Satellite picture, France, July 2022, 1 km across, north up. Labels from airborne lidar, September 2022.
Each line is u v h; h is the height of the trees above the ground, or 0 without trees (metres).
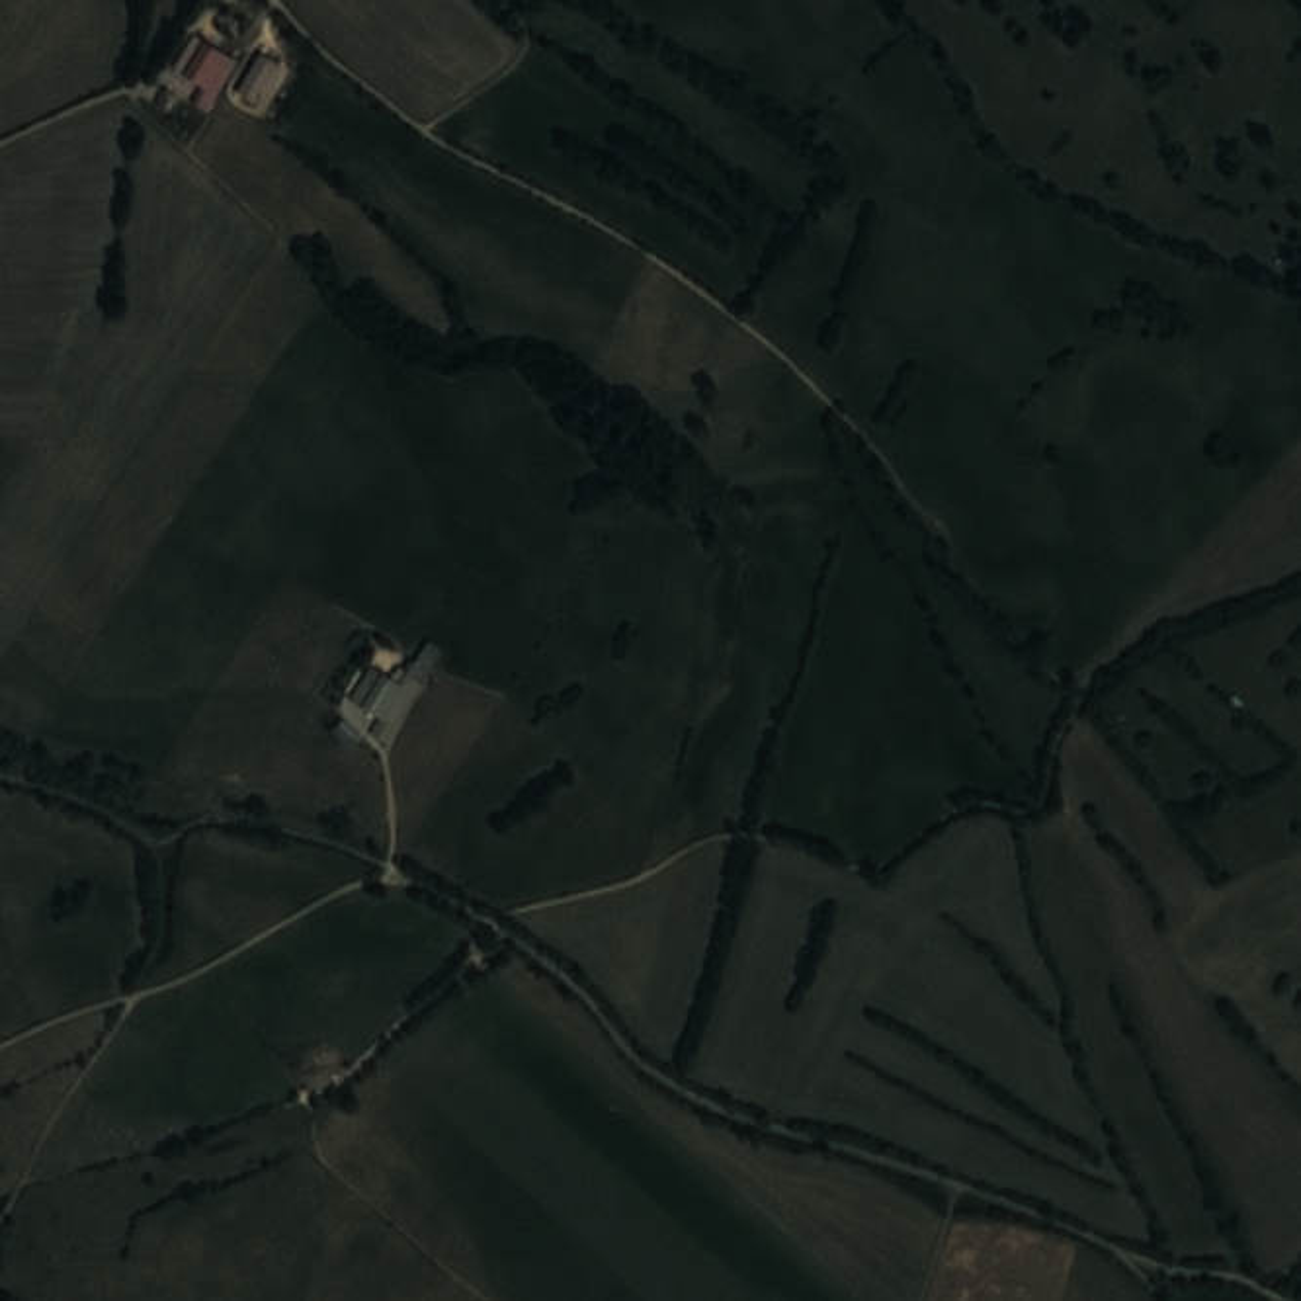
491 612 0
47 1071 0
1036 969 0
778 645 0
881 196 0
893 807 0
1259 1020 0
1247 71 0
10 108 0
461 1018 0
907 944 0
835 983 0
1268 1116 0
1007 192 0
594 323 0
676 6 0
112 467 0
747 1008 0
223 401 0
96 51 0
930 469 0
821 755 0
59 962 0
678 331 0
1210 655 0
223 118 0
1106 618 0
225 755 0
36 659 0
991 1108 0
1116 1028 0
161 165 0
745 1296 0
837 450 8
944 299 0
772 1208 0
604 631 0
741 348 0
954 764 0
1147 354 0
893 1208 0
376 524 0
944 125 0
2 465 0
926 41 9
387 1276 0
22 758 12
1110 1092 0
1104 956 0
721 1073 0
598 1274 0
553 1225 0
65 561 0
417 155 0
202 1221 0
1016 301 0
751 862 15
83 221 0
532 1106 0
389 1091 0
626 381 0
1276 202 0
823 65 0
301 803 0
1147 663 7
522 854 0
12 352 0
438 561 0
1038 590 0
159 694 0
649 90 0
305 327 0
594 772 0
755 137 0
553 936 0
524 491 0
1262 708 0
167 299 0
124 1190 0
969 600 17
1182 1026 0
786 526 0
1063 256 0
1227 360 0
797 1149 7
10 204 0
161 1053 0
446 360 9
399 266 0
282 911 0
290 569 0
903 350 0
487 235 0
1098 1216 0
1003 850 0
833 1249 0
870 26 0
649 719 0
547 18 0
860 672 0
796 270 0
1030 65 0
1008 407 0
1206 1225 0
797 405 0
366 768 0
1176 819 7
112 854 0
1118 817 0
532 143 0
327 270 12
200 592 0
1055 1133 7
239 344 0
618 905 0
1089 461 0
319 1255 0
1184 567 0
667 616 0
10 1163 0
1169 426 0
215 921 0
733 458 0
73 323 0
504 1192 0
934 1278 0
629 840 0
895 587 0
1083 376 0
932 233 0
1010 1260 0
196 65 0
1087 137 0
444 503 0
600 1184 0
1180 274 0
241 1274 0
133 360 0
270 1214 0
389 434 0
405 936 0
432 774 0
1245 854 0
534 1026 0
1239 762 0
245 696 0
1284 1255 0
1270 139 17
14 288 0
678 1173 0
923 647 0
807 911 0
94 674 0
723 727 0
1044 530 0
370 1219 0
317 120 0
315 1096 8
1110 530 0
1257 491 0
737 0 0
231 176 0
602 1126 0
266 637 0
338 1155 0
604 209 0
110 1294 0
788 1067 0
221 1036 0
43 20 0
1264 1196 0
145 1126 0
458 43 0
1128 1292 0
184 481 0
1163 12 8
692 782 0
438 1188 0
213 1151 0
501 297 0
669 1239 0
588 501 18
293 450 0
